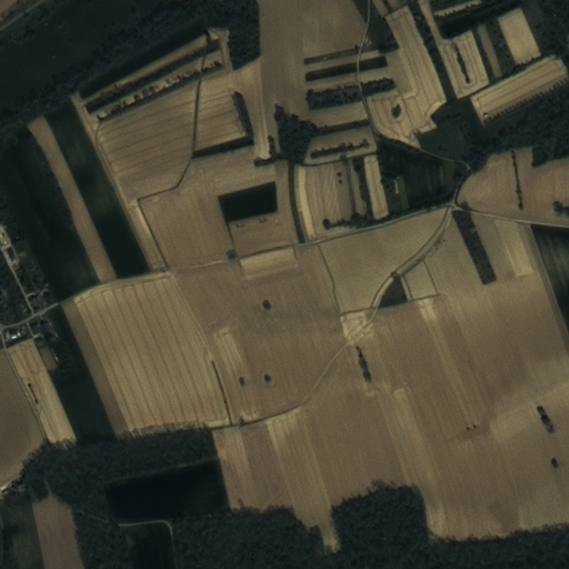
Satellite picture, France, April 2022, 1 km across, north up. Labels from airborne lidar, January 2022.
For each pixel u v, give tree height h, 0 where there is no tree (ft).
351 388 0
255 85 0
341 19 0
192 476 0
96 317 0
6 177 0
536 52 0
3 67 0
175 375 0
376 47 34
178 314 0
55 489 60
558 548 85
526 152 0
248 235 0
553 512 0
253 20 37
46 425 0
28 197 0
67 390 0
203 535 91
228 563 65
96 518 76
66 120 0
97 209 0
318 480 0
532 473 0
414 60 0
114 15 0
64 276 0
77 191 0
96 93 0
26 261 0
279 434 0
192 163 0
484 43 0
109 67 67
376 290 0
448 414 0
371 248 0
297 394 0
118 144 0
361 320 0
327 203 0
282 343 0
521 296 0
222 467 0
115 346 0
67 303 0
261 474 0
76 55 0
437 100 0
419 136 28
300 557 83
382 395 0
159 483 0
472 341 0
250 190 0
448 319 0
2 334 0
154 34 73
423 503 83
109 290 0
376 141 0
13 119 81
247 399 0
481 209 0
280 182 0
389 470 0
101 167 0
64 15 0
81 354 0
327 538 0
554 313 0
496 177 0
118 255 0
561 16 52
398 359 0
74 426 0
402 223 0
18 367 0
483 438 0
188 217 0
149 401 0
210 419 0
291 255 0
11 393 0
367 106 0
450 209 0
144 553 0
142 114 0
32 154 0
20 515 0
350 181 0
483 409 0
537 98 34
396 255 0
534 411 0
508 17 0
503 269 0
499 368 0
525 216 0
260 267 0
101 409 0
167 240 0
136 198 0
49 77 0
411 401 0
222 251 0
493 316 0
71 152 0
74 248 0
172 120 0
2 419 0
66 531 0
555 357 0
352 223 35
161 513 0
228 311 0
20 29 0
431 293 0
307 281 0
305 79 0
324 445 0
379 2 0
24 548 0
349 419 0
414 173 0
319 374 0
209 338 0
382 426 0
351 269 0
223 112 0
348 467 0
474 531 0
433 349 0
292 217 0
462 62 33
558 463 40
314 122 0
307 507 0
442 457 0
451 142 0
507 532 0
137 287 0
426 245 0
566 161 0
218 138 0
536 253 0
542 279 0
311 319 0
